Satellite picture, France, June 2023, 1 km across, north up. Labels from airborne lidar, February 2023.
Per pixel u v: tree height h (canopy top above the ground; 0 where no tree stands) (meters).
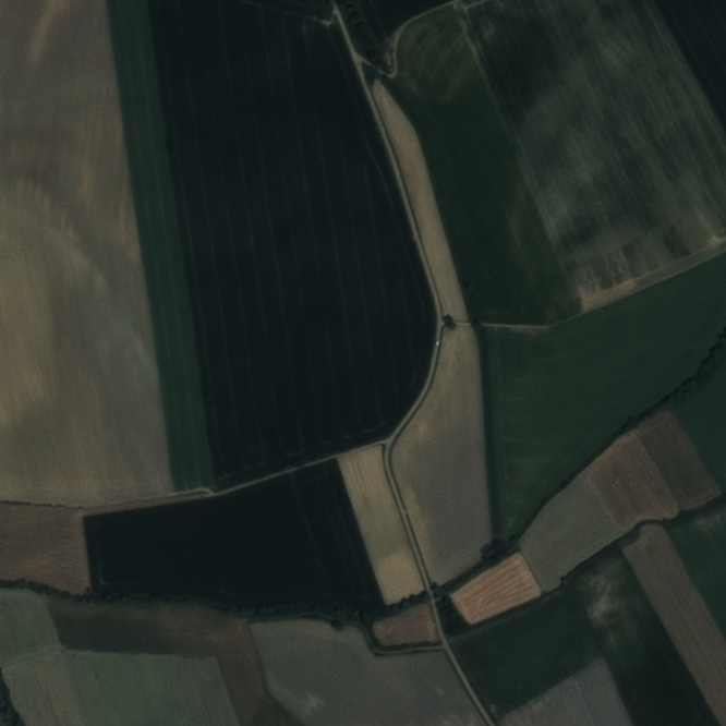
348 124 0
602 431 0
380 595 0
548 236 0
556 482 0
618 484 0
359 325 0
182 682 0
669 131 0
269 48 0
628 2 0
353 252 0
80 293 0
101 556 0
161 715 0
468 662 0
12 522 0
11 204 0
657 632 0
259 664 0
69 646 0
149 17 0
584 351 0
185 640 0
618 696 0
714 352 15
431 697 0
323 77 0
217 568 0
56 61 0
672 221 0
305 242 0
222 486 0
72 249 0
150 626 0
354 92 0
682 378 0
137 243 0
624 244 0
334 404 0
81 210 0
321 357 0
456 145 0
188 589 0
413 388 0
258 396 0
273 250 0
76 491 0
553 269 0
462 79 0
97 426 0
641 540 0
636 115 0
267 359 0
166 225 0
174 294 0
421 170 0
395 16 0
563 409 0
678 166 0
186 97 0
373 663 0
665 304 0
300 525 0
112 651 0
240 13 0
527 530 0
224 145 0
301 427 0
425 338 0
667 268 0
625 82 0
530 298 0
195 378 0
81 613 0
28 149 0
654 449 0
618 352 0
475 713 0
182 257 0
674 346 0
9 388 0
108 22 0
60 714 0
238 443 0
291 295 0
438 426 0
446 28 0
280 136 0
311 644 0
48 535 0
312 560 0
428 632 0
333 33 0
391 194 0
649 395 0
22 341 0
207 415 0
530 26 0
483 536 0
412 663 0
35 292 0
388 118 0
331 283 0
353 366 0
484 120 0
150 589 0
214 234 0
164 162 0
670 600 0
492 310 0
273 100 0
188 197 0
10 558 0
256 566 0
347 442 0
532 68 0
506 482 0
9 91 0
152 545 0
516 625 0
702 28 0
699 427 0
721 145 0
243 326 0
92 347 0
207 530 0
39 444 0
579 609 0
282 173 0
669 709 0
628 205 0
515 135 0
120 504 0
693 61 0
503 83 0
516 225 0
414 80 0
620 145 0
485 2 0
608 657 0
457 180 0
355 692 0
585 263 0
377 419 0
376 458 0
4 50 0
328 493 0
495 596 0
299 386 0
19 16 0
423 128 0
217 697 0
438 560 0
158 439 0
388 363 0
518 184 0
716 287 0
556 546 0
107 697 0
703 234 0
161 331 0
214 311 0
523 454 0
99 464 0
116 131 0
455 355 0
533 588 0
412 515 0
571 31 0
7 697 0
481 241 0
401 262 0
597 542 0
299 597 0
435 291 0
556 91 0
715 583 0
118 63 0
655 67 0
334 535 0
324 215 0
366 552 0
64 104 0
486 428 0
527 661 0
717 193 0
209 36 0
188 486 0
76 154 0
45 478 0
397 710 0
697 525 0
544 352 0
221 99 0
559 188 0
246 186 0
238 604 0
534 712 0
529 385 0
